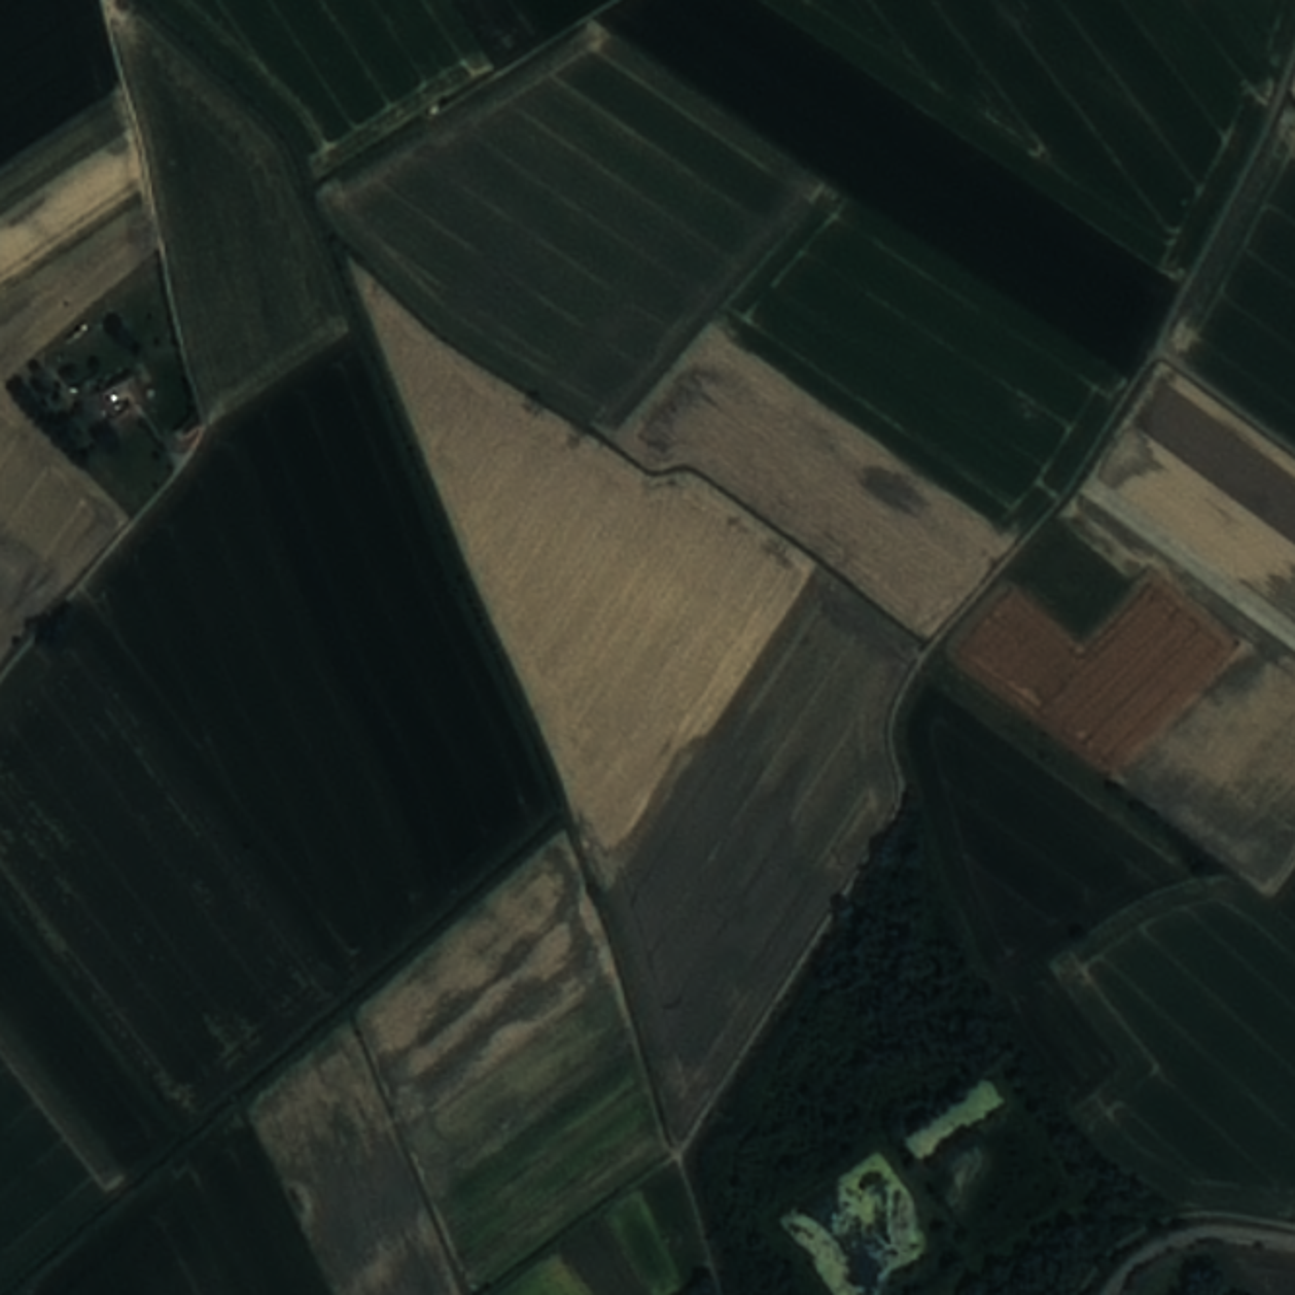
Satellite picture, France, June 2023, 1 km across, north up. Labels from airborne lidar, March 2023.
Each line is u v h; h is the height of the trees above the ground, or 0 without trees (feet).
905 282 0
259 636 0
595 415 0
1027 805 0
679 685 0
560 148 0
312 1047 0
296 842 0
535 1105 0
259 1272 0
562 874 0
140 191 0
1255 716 0
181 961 0
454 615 0
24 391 63
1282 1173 0
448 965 0
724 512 0
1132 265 0
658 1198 0
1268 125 0
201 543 0
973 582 0
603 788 0
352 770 0
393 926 0
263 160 0
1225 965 0
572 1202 0
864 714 0
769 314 0
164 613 0
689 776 0
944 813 0
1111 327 0
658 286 0
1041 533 0
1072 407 0
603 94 0
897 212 0
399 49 0
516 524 0
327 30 0
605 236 0
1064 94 0
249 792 0
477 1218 0
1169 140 0
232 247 0
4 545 0
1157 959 0
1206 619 0
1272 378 0
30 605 0
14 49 0
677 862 0
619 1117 0
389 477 0
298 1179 0
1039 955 0
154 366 0
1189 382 0
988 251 0
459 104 0
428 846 0
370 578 0
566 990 0
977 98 0
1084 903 0
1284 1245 0
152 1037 0
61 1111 0
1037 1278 37
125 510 0
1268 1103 0
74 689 0
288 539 0
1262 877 0
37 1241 0
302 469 0
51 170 0
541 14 0
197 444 0
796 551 0
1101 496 0
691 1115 0
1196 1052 0
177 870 0
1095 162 0
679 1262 0
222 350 0
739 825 0
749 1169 18
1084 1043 0
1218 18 0
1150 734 0
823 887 0
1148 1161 0
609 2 0
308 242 0
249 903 0
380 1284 0
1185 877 0
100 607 0
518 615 0
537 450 0
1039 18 0
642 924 0
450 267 0
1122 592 0
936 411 0
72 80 0
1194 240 0
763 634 0
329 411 0
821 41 0
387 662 0
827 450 0
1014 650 0
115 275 0
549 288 0
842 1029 23
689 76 0
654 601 0
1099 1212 37
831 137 0
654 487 0
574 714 0
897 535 0
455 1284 0
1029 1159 0
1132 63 0
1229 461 0
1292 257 0
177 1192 0
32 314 0
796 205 0
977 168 0
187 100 0
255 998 0
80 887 0
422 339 0
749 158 0
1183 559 0
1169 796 0
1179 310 0
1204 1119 0
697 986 0
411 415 0
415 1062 0
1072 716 0
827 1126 32
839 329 0
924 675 0
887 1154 0
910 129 0
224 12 0
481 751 0
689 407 0
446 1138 0
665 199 0
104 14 0
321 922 0
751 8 0
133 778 0
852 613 0
